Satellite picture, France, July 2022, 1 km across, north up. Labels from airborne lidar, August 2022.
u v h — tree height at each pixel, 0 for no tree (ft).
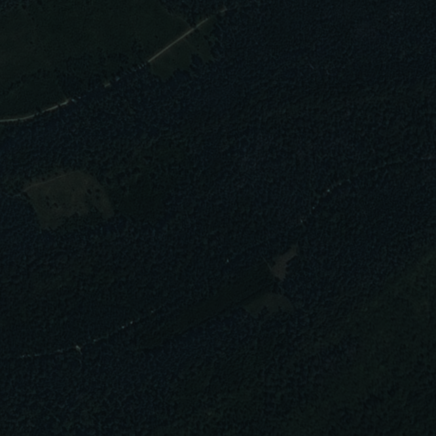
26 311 58
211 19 0
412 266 52
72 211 0
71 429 105
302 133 52
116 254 66
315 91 65
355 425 92
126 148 50
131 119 120
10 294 51
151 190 24
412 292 68
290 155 66
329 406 91
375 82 101
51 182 0
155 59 0
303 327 79
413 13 52
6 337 44
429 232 40
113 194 21
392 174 56
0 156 114
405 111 72
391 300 72
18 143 126
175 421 84
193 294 67
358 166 82
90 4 46
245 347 42
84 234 22
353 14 56
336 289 72
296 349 77
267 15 81
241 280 33
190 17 27
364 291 46
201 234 73
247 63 94
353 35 62
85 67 30
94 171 40
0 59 0
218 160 70
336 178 75
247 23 80
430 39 105
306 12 61
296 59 107
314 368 79
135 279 72
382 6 55
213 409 50
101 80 53
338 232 48
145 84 128
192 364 71
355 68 71
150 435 80
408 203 53
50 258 53
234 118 58
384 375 76
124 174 82
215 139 60
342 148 62
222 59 62
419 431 76
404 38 104
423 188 87
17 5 29
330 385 77
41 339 49
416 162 67
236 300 19
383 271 24
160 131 76
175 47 0
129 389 81
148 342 48
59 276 56
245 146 94
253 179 105
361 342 82
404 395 100
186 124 86
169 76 0
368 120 30
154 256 82
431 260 50
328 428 91
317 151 90
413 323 75
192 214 93
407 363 94
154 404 21
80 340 63
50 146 116
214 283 80
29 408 88
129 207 20
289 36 58
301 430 78
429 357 98
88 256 68
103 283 82
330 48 97
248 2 68
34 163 74
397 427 78
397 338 75
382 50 113
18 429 57
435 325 96
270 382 101
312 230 52
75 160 78
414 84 91
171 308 55
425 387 87
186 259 88
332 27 72
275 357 28
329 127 36
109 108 124
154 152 39
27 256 76
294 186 113
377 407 88
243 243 58
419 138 77
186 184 55
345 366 81
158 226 23
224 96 95
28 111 20
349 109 47
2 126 24
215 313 30
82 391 83
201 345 106
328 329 48
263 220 36
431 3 41
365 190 56
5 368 72
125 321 61
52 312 60
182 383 32
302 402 72
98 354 74
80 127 24
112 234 96
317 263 81
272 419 70
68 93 30
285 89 86
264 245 74
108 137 127
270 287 29
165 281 81
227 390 37
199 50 0
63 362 81
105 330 66
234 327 100
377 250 70
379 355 80
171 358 112
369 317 75
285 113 66
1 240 115
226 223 78
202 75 84
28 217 115
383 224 70
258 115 61
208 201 83
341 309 56
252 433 42
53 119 41
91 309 65
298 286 35
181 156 27
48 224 0
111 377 114
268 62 90
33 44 31
